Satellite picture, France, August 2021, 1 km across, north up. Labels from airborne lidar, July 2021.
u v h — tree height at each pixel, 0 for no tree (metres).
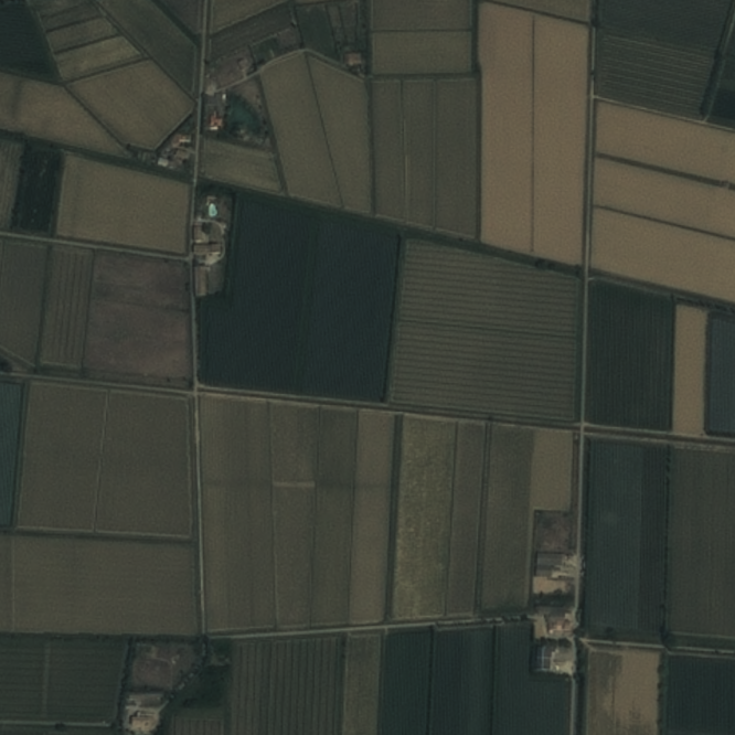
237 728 0
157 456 0
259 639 0
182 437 0
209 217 0
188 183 0
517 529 0
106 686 0
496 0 0
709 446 0
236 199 18
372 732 0
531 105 0
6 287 0
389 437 0
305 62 0
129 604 0
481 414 0
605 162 0
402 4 0
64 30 0
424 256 0
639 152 0
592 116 0
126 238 0
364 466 0
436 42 0
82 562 0
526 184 0
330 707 0
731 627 0
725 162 0
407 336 0
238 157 0
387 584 0
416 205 0
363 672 0
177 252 0
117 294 0
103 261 0
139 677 0
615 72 0
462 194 0
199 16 0
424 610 0
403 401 0
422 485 0
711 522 0
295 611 0
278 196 0
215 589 0
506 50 0
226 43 0
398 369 0
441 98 0
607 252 0
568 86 0
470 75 0
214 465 0
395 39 0
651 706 0
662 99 0
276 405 0
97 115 0
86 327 0
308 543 0
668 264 0
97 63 0
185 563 0
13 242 0
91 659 0
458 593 0
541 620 0
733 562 0
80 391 0
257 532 0
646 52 0
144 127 0
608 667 0
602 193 0
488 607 0
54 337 0
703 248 0
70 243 0
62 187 0
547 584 0
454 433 0
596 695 0
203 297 6
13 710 0
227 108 7
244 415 0
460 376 0
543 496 0
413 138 0
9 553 0
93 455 0
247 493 0
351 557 0
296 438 0
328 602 0
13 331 0
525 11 0
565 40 0
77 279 0
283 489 0
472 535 0
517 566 0
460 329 0
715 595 0
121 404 0
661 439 0
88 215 0
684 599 0
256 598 0
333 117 0
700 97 0
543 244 0
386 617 0
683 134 0
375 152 0
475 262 0
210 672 7
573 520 0
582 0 0
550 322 0
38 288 0
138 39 0
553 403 0
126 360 0
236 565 0
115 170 0
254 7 0
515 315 0
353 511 0
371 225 0
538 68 0
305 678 0
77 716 0
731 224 0
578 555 0
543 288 0
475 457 0
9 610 0
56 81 0
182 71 0
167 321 0
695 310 0
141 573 0
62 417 0
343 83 0
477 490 0
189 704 6
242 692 0
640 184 0
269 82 0
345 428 0
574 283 0
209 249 0
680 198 0
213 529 0
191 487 0
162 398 0
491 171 0
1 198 0
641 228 0
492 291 0
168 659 0
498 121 0
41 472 0
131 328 0
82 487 0
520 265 0
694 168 0
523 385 0
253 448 0
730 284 0
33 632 0
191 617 0
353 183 0
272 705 0
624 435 0
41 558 0
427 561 0
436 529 0
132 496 0
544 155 0
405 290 0
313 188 0
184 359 0
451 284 0
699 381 0
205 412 0
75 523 0
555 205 0
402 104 0
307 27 0
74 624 0
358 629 0
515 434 0
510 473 0
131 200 0
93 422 0
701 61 0
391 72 0
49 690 0
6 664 0
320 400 0
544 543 0
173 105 0
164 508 0
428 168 0
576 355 0
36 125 0
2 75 0
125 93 0
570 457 0
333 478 0
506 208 0
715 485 0
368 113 0
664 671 17
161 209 0
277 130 0
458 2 0
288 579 0
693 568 0
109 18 0
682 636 0
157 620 0
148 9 0
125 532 0
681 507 0
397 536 0
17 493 0
